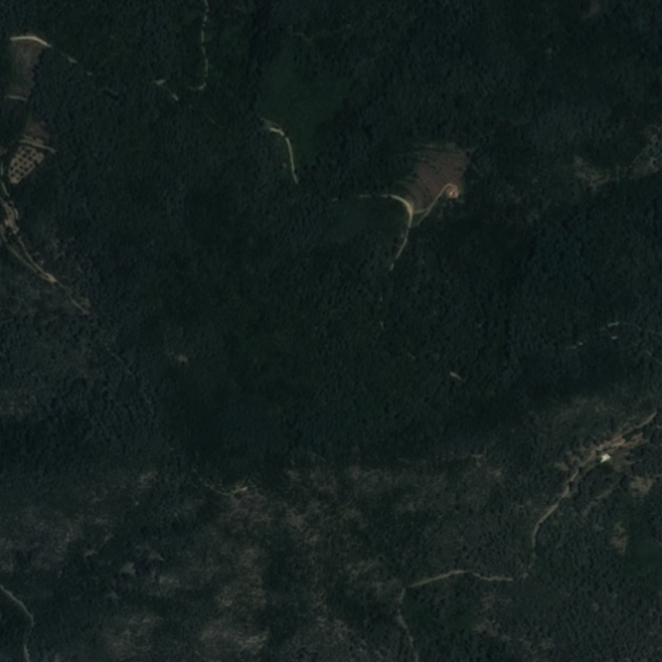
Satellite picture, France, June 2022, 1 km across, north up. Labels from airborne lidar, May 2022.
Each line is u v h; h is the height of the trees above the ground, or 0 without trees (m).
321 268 18
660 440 17
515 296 18
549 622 8
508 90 18
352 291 25
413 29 20
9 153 8
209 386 15
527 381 14
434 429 18
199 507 6
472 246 17
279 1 18
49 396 13
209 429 12
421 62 17
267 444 28
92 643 8
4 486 11
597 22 7
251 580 6
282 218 21
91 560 13
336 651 9
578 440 18
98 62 12
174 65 6
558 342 22
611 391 9
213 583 6
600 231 16
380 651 19
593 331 9
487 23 13
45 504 8
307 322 20
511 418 7
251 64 19
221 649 7
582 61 14
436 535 14
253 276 17
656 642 7
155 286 16
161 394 17
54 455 9
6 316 8
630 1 12
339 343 15
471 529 6
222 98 14
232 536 10
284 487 9
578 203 5
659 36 8
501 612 8
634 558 9
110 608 7
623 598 8
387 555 9
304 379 21
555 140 17
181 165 20
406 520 9
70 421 13
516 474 7
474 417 11
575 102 10
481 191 6
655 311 19
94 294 16
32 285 6
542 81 22
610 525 18
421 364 20
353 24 10
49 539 8
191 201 17
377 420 23
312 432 30
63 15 12
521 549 6
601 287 19
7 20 18
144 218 17
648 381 16
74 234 10
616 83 11
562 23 23
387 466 8
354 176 17
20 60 0
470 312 22
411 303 20
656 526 13
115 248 17
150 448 13
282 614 8
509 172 14
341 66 7
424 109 10
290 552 7
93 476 8
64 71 21
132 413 22
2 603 12
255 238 18
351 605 12
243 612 6
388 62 15
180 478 8
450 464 9
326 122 6
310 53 8
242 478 9
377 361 18
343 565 6
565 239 36
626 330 17
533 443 6
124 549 10
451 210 9
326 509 5
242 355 17
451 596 7
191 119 15
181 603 9
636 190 17
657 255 15
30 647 11
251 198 7
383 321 18
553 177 8
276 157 12
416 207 0
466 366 20
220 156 13
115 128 14
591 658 7
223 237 16
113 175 18
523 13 25
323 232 13
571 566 7
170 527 7
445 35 16
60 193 12
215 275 15
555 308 21
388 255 24
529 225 16
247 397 17
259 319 15
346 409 17
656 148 7
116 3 17
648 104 8
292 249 18
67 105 20
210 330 18
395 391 22
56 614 7
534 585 7
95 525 12
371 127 15
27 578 7
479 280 26
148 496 10
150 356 21
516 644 6
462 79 16
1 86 7
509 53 20
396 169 16
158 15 18
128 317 19
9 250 8
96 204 14
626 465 6
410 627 6
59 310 8
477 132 8
